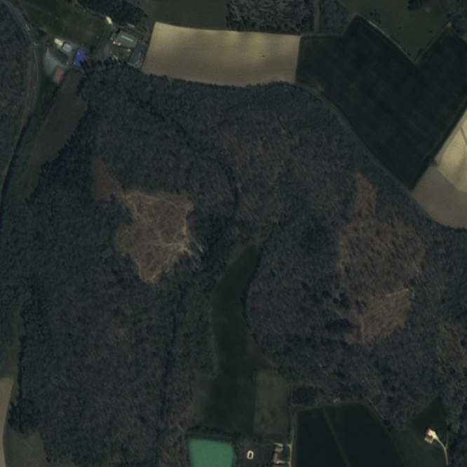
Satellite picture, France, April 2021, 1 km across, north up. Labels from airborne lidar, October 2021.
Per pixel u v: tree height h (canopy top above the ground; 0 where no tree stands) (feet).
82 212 56
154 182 62
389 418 46
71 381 60
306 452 0
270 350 72
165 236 0
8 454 0
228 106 64
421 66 0
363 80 0
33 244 59
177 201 0
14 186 70
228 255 41
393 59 0
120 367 57
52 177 53
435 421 0
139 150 54
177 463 73
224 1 0
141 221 0
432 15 0
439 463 0
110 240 48
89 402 72
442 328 77
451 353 67
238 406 0
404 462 0
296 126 64
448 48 0
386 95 0
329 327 34
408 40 0
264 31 26
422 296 84
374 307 0
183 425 56
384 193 64
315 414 0
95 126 54
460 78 0
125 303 53
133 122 48
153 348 71
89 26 0
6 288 61
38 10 0
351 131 0
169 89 58
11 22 70
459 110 0
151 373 66
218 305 0
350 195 46
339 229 70
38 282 72
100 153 50
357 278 63
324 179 63
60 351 57
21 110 56
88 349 63
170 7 0
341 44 0
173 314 58
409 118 0
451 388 64
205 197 61
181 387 71
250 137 71
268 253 59
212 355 54
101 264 63
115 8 41
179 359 68
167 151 51
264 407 0
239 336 0
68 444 61
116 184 0
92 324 55
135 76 50
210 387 0
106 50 0
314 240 73
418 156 0
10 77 34
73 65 0
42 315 73
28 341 56
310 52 0
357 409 0
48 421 47
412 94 0
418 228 56
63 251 71
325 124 71
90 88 73
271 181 74
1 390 0
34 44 0
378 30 0
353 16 0
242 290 0
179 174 70
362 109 0
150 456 68
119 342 57
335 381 64
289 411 0
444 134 0
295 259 62
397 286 0
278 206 74
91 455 73
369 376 65
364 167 65
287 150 76
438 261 62
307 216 60
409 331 56
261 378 0
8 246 74
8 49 73
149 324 47
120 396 71
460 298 64
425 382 86
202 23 0
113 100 72
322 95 0
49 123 0
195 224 70
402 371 70
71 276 61
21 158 88
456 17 60
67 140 0
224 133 59
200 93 60
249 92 61
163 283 54
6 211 80
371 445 0
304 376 74
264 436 0
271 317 66
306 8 20
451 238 75
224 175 56
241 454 53
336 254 50
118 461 67
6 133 67
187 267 48
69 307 57
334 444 0
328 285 58
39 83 0
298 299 55
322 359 53
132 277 51
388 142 0
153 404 52
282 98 73
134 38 0
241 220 71
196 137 76
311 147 72
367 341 0
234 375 0
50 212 51
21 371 64
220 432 20
